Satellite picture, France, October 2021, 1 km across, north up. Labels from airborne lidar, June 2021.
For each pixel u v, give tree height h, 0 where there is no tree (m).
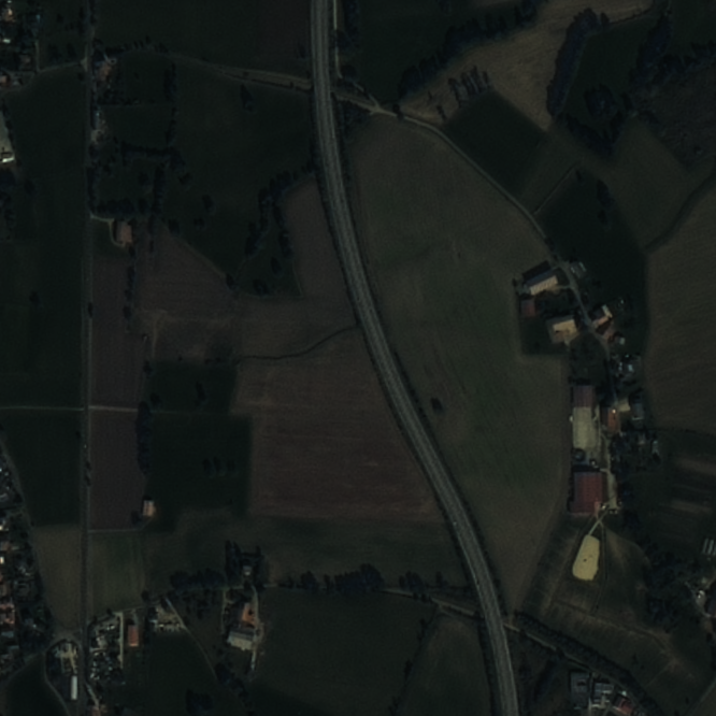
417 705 0
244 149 0
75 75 0
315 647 0
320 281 0
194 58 0
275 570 0
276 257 0
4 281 0
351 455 0
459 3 0
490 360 0
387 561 0
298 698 0
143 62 0
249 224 0
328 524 0
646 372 0
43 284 0
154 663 0
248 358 0
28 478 0
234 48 0
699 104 0
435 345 0
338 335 0
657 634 0
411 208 0
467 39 12
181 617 0
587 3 0
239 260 0
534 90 0
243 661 0
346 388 0
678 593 23
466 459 0
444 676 0
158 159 7
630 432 16
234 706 0
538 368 0
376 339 0
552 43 0
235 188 0
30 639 7
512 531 0
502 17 0
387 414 0
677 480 0
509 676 0
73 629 0
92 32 0
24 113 0
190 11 0
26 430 0
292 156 0
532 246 0
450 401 0
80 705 0
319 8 0
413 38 0
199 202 0
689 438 0
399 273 0
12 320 0
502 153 0
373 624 0
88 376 0
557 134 0
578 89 0
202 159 0
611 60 0
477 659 0
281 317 0
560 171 0
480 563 0
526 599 0
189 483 0
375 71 0
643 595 0
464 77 0
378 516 0
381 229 0
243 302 0
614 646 0
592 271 0
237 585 9
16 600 6
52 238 0
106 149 0
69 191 0
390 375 0
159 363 0
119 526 0
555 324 0
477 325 0
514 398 0
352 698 0
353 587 17
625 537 0
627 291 9
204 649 0
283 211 0
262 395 0
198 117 0
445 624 0
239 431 0
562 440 0
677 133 0
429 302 0
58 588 0
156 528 0
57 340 0
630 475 7
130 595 0
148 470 12
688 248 0
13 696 0
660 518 0
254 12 0
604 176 0
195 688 0
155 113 0
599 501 0
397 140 0
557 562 0
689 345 0
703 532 0
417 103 0
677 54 0
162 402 8
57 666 12
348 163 14
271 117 0
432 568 0
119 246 0
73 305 0
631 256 0
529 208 0
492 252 0
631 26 0
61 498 0
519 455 0
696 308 0
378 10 0
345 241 0
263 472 0
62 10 0
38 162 0
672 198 0
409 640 0
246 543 0
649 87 22
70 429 0
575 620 0
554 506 0
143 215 9
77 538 0
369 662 0
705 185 0
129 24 0
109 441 0
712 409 0
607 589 0
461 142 0
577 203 0
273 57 0
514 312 0
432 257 0
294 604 0
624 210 0
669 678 0
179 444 0
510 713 0
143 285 0
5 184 14
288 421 0
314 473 0
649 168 0
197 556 0
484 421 0
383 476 0
